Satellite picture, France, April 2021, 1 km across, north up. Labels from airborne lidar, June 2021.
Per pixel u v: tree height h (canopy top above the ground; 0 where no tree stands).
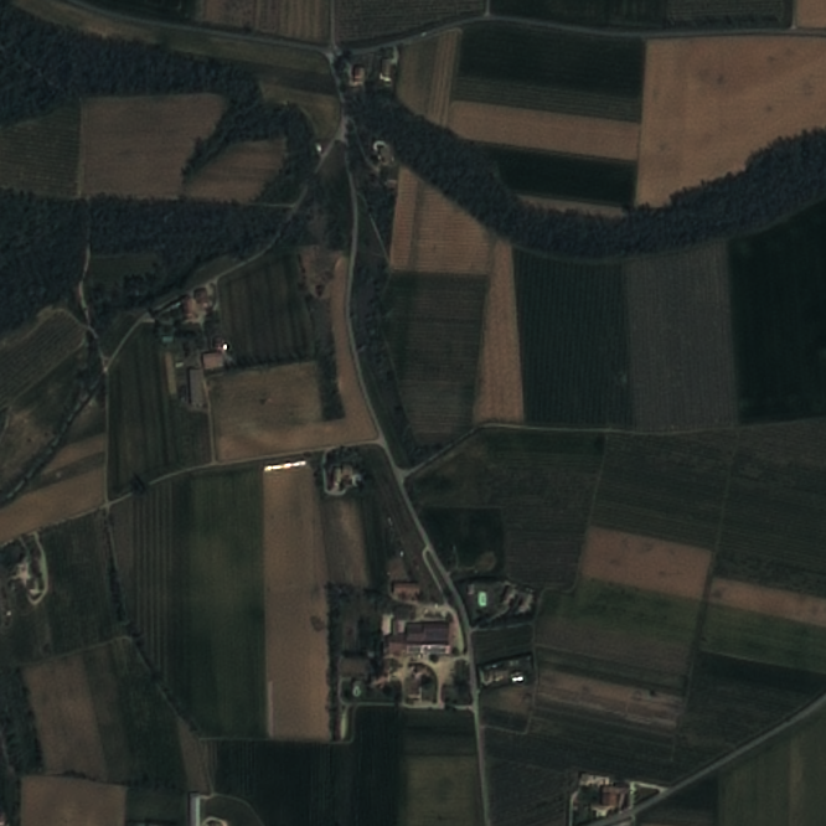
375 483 11
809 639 0
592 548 0
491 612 5
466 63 0
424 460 6
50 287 15
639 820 0
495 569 0
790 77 0
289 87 0
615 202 0
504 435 0
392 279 0
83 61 16
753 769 0
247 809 0
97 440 0
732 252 0
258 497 0
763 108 0
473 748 0
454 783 0
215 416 0
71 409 7
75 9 0
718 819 0
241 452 0
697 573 0
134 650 6
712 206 17
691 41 0
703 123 0
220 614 0
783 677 0
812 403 0
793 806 0
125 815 0
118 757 0
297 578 0
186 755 0
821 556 0
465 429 0
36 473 7
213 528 0
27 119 8
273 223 10
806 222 0
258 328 0
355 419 0
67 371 0
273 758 0
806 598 0
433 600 8
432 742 0
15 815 8
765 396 0
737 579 0
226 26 0
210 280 0
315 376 0
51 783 0
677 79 0
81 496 0
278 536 0
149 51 11
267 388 0
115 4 0
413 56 0
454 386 0
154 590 0
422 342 0
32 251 10
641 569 0
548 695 0
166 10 0
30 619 0
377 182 9
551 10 0
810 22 0
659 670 0
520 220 13
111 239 16
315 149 8
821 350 0
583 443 0
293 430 0
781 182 12
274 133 6
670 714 0
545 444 0
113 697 0
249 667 0
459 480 0
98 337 10
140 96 10
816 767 0
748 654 0
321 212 7
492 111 0
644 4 0
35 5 0
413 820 0
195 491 0
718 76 0
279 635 0
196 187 0
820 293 0
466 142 9
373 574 0
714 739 0
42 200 7
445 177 10
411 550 0
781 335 0
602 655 0
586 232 12
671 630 0
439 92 0
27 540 11
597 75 0
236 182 0
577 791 7
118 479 0
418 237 0
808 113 0
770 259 0
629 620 0
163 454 0
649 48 0
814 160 15
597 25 0
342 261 0
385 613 6
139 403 0
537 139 0
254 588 0
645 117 0
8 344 0
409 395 0
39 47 15
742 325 0
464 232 0
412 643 0
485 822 0
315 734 0
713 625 0
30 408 0
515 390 0
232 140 10
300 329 0
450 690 7
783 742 0
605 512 0
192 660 0
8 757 8
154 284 21
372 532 0
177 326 6
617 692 0
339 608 7
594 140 0
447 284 0
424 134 7
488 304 0
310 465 0
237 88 8
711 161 0
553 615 0
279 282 0
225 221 19
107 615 0
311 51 0
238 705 0
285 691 0
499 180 9
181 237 19
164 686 10
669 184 0
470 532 0
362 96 12
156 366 0
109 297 17
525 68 0
